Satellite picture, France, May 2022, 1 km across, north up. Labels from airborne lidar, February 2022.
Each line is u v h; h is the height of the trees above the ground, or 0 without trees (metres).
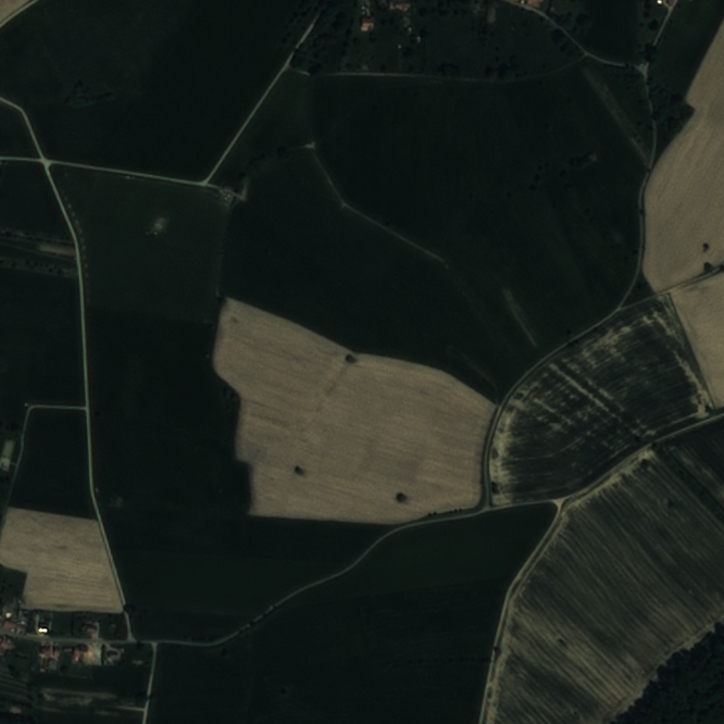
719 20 0
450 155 0
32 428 0
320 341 0
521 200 0
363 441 0
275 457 0
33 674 0
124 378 0
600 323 0
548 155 0
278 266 0
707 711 32
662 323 0
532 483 0
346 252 0
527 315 0
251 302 0
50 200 0
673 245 0
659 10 0
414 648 0
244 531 0
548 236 0
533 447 0
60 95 0
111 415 0
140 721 0
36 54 0
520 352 0
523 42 0
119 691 0
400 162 0
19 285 0
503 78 12
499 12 0
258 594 0
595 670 0
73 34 0
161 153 0
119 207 0
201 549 0
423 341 0
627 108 0
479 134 0
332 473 0
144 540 0
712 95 0
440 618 0
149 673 0
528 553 0
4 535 0
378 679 0
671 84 0
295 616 0
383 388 0
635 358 0
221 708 0
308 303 0
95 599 0
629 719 21
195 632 0
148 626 0
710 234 0
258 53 0
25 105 0
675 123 11
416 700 0
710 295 0
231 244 0
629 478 0
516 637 0
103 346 0
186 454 0
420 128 0
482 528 0
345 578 0
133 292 0
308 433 0
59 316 0
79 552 0
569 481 0
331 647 0
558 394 0
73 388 0
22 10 0
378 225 0
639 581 0
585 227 0
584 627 0
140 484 0
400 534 0
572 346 9
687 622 0
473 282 0
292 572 0
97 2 0
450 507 0
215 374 0
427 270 0
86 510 0
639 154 0
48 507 0
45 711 0
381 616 0
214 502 0
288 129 0
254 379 0
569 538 0
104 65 0
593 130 0
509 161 0
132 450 0
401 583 0
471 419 0
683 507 0
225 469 0
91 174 0
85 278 0
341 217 0
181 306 0
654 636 0
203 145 0
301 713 0
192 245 0
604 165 0
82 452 0
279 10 0
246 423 0
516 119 0
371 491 0
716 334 0
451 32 0
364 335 0
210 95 0
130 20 0
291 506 0
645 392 0
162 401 0
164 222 0
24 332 0
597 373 0
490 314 0
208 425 0
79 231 0
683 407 0
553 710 0
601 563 0
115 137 0
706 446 0
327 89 0
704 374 0
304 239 0
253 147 0
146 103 0
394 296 0
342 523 0
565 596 0
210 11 0
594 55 0
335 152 0
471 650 0
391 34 0
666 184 0
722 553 0
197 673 0
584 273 0
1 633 0
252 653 0
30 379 0
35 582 0
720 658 32
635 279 0
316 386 0
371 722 0
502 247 0
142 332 0
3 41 0
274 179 0
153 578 0
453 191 0
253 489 0
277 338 0
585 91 0
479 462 0
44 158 0
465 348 0
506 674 0
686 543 0
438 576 0
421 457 0
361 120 0
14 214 0
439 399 0
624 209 0
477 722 0
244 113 0
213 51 0
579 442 0
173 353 0
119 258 0
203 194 0
